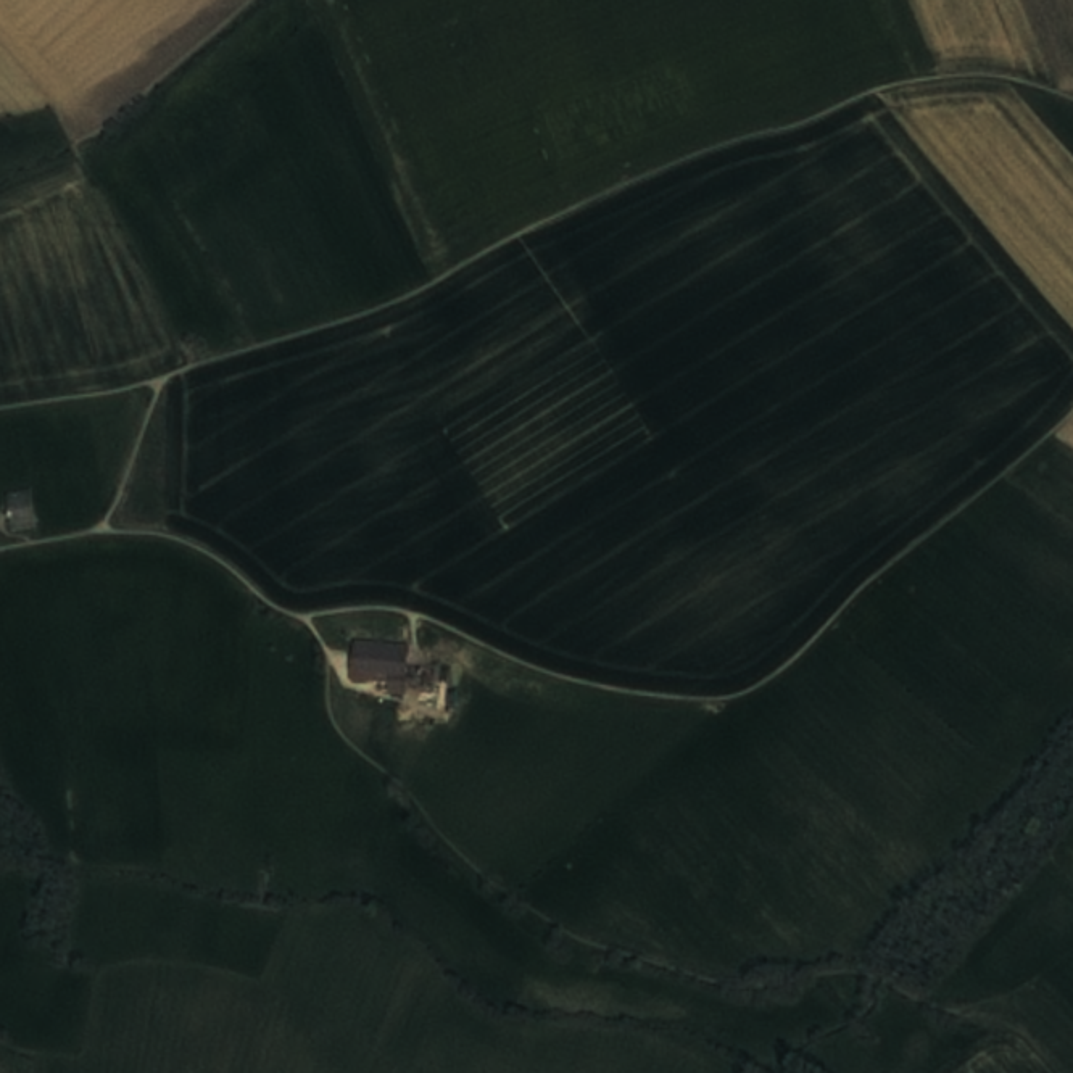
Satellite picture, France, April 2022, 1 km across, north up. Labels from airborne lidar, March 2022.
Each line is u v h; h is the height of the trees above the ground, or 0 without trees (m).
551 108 0
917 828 0
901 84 0
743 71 0
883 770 0
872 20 0
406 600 0
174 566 0
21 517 0
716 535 0
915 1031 0
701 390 0
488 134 0
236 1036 0
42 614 0
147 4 0
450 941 0
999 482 0
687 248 0
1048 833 24
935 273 0
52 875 19
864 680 0
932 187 0
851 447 0
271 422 0
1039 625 0
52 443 0
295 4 0
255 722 0
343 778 0
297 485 0
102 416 0
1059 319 0
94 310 0
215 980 0
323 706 0
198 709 0
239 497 0
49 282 0
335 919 0
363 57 0
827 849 0
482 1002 17
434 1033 0
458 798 0
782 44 0
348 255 0
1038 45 0
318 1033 0
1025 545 0
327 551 0
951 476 0
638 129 0
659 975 11
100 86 0
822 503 0
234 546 0
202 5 0
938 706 0
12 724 0
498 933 0
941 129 0
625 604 0
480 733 0
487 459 0
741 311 0
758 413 0
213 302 0
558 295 0
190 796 0
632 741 0
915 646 0
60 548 0
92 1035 0
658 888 0
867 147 0
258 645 0
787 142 0
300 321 0
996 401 0
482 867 0
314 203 0
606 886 0
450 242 0
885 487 0
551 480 0
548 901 0
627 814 0
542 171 0
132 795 0
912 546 0
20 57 0
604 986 0
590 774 0
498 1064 0
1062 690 0
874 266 0
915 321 0
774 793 0
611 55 0
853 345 0
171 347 0
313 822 0
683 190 0
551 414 0
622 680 0
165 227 0
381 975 0
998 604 0
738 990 14
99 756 0
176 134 0
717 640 0
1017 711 0
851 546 0
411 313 0
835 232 0
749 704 0
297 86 0
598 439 0
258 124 0
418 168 0
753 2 0
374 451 0
